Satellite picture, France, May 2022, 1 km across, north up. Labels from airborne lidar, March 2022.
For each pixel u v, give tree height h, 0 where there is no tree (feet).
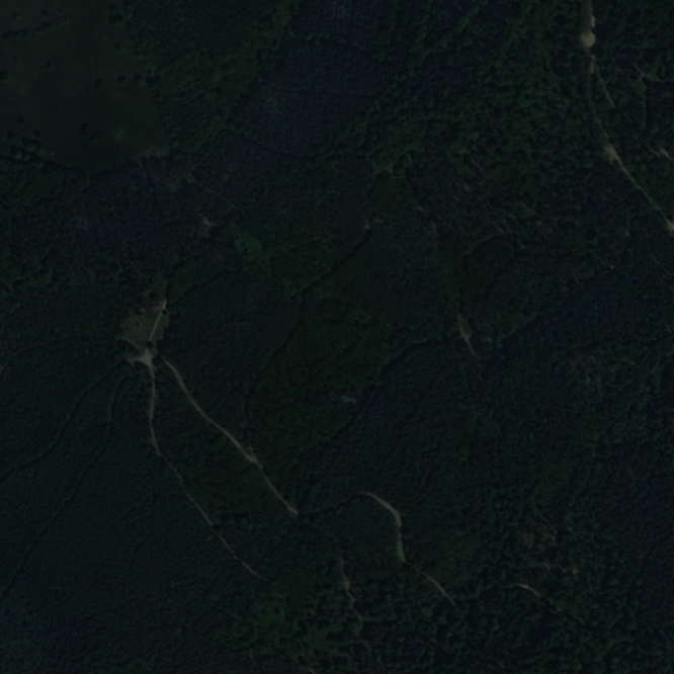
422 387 62
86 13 0
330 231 50
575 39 33
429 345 58
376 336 50
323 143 71
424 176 102
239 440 38
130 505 38
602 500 90
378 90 66
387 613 98
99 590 47
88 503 36
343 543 63
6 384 41
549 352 65
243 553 51
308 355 52
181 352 96
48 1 0
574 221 36
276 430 40
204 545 46
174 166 77
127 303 31
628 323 83
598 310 64
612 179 103
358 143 55
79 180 76
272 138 76
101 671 50
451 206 95
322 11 94
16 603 67
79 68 0
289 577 41
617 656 83
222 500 40
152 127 0
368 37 92
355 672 0
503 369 72
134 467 47
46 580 29
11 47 0
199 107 66
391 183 53
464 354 96
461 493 58
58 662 72
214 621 73
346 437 93
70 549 42
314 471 68
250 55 34
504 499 71
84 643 63
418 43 98
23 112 0
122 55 0
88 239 77
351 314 60
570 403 61
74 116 0
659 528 87
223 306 51
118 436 41
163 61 52
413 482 86
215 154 84
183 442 29
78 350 56
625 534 75
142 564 48
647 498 82
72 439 41
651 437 76
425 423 60
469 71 85
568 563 58
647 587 87
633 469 94
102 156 0
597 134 69
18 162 32
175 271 35
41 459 41
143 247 72
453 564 26
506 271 98
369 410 74
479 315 66
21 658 79
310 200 44
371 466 45
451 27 113
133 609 57
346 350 67
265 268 51
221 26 64
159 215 57
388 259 51
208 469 31
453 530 64
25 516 51
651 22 63
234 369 58
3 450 51
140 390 26
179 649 84
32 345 42
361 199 75
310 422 51
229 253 55
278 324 63
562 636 118
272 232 31
